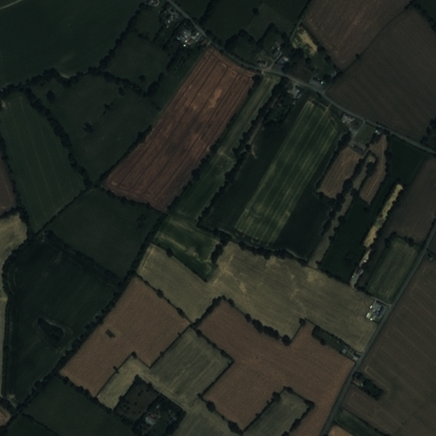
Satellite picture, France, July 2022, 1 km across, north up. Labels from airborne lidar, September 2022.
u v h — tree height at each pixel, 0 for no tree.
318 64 0
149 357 0
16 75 0
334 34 0
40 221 0
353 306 0
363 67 0
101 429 0
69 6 0
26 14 0
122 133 0
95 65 0
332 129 0
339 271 0
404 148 0
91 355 0
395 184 9
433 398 0
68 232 0
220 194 11
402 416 0
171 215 0
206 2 0
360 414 0
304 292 0
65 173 0
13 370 0
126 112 0
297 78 0
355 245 0
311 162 0
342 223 16
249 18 0
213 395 0
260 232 0
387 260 0
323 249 0
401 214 0
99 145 0
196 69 0
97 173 0
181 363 0
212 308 10
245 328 0
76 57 0
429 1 0
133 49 0
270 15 0
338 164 0
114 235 0
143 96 16
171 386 0
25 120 0
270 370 0
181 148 0
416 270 0
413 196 0
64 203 0
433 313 0
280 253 12
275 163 0
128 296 0
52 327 19
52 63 0
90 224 0
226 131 0
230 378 0
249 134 8
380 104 0
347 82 0
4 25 0
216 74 0
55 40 0
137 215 0
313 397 0
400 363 0
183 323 0
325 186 0
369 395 12
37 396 19
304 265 12
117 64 0
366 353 0
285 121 5
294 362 0
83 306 0
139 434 13
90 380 0
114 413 8
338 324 0
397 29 0
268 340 0
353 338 0
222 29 0
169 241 0
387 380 0
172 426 13
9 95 9
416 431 0
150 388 14
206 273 0
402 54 0
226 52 14
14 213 14
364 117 0
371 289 0
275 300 0
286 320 0
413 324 0
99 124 0
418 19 0
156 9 0
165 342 0
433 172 0
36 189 0
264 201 0
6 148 15
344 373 0
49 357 0
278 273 0
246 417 0
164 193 0
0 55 0
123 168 0
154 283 0
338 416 0
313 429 0
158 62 0
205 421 0
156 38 7
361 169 16
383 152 0
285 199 0
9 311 6
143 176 0
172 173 0
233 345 0
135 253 0
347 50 0
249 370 0
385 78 0
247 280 0
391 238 7
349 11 0
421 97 0
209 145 0
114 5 0
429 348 0
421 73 0
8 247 0
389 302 0
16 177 0
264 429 0
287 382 0
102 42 0
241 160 11
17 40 0
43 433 0
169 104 0
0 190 0
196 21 9
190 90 0
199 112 0
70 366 0
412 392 0
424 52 0
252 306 0
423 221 0
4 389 6
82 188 0
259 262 0
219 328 0
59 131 20
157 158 0
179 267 0
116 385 0
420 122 0
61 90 0
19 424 0
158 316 0
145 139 17
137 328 0
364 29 0
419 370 0
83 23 0
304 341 0
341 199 19
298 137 0
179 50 11
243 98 0
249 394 0
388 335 0
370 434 0
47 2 0
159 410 5
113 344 0
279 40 0
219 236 12
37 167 0
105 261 0
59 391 0
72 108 0
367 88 0
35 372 0
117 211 0
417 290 0
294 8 0
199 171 13
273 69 0
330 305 0
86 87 0
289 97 11
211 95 0
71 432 0
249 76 0
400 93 0
